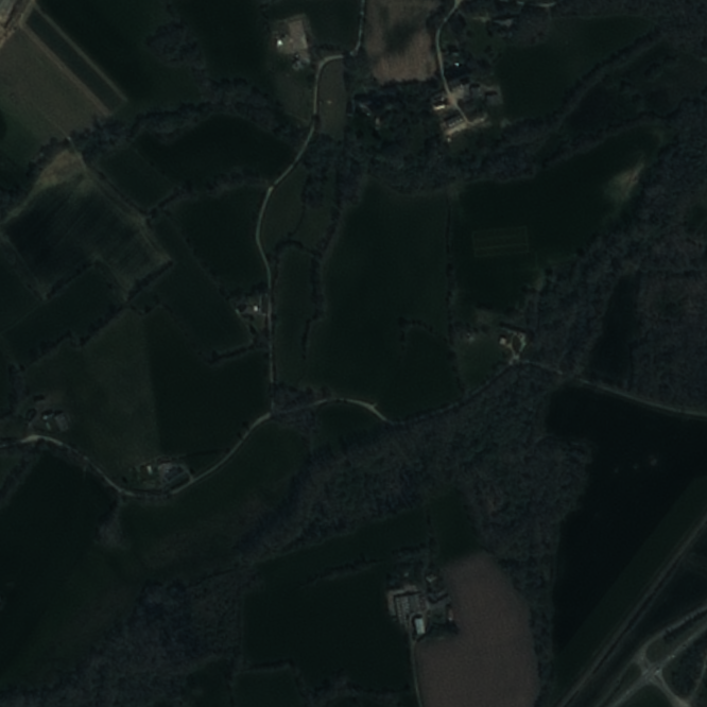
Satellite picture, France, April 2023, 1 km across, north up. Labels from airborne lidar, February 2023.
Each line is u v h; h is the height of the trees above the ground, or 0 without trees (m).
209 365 9
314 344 0
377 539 0
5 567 0
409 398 0
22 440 0
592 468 0
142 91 0
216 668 0
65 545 0
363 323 0
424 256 0
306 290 0
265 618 0
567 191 0
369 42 0
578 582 0
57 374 0
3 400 0
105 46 0
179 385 0
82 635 0
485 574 0
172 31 14
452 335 11
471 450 9
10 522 0
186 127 8
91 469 15
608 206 0
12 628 0
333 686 5
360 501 9
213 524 0
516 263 0
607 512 0
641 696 0
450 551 0
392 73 0
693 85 0
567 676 0
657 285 7
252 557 26
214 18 0
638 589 0
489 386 17
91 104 0
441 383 0
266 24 8
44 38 0
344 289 0
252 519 0
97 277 0
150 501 12
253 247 0
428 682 0
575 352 31
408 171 12
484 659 0
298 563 0
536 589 19
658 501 0
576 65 0
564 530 0
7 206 10
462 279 0
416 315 0
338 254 0
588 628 0
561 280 11
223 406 0
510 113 0
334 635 0
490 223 0
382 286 0
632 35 0
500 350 0
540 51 0
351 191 25
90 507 0
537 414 14
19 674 0
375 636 0
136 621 15
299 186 0
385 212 0
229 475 0
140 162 0
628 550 0
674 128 9
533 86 0
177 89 0
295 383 0
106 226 0
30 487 0
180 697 27
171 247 0
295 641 0
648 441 0
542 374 16
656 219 14
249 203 0
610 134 6
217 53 0
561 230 0
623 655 0
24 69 0
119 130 14
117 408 0
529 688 0
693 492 0
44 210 0
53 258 0
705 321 9
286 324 0
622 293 0
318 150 8
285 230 0
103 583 0
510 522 15
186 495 0
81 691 20
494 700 0
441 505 0
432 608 0
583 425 0
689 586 0
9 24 0
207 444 0
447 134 0
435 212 0
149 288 11
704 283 9
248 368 0
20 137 0
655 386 9
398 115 8
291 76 0
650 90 0
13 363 0
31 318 0
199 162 0
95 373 0
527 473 15
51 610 0
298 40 0
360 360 0
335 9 0
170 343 0
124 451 0
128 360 0
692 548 0
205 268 8
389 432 18
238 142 0
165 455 0
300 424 28
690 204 7
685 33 18
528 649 0
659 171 12
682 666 8
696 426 0
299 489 28
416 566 8
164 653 20
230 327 0
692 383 18
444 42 0
